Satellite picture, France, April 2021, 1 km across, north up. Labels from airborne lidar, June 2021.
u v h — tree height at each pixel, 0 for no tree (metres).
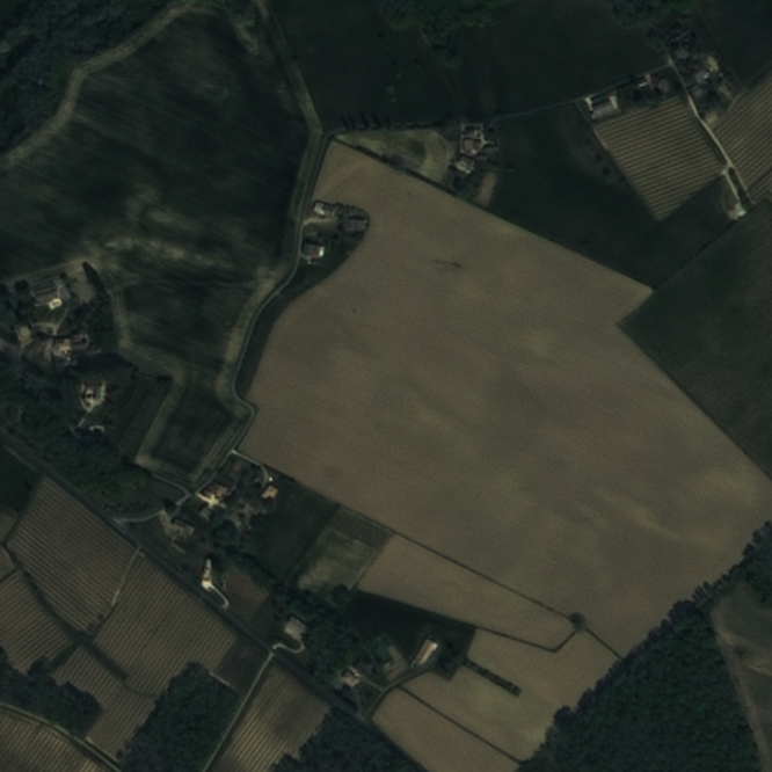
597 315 0
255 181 0
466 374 0
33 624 0
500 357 0
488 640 0
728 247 0
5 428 14
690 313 0
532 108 0
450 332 0
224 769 0
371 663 10
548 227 0
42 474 0
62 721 12
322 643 17
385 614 0
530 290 0
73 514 0
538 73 0
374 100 0
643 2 16
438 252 0
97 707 20
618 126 0
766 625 0
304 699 0
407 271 0
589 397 0
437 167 0
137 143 0
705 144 0
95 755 0
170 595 0
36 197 0
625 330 0
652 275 0
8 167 0
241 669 0
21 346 21
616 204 0
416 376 0
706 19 0
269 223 0
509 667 0
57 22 17
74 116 0
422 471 0
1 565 0
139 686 0
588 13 0
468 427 0
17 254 0
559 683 0
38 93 22
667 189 0
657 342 0
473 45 0
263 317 0
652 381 0
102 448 30
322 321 0
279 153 0
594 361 0
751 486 0
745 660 0
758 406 0
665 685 25
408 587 0
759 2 0
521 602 0
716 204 0
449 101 0
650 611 0
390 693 0
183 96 0
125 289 0
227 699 18
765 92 0
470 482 0
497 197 0
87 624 0
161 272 0
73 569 0
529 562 0
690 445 0
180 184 0
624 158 0
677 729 24
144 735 16
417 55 0
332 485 0
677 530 0
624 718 25
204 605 0
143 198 0
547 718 0
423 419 0
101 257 0
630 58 0
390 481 0
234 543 23
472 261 0
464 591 0
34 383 27
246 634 0
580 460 0
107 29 7
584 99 0
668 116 0
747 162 0
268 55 0
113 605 0
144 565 0
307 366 0
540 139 0
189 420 0
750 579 16
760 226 0
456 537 0
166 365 0
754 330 0
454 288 0
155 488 0
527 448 0
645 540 0
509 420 0
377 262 0
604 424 0
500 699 0
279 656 0
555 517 0
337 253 0
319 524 0
